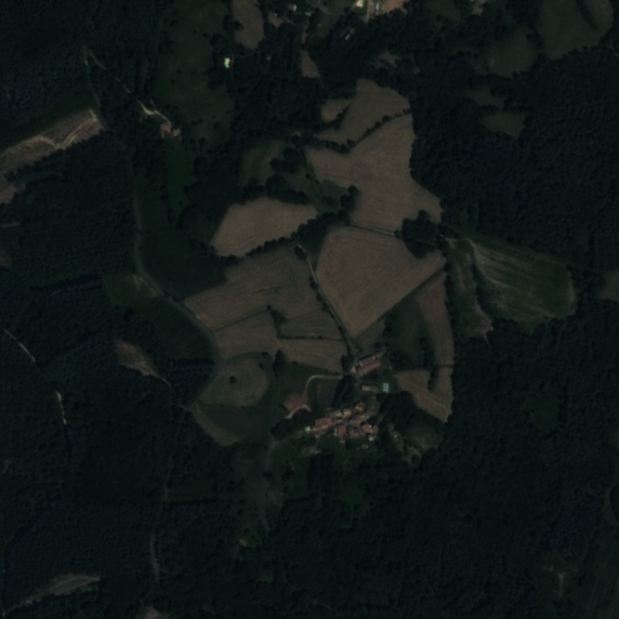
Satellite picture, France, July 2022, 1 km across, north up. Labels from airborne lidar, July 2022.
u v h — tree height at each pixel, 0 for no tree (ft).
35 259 25
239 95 56
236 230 0
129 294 0
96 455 84
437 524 83
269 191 52
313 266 0
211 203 70
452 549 31
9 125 24
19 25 73
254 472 0
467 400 70
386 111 0
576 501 83
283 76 30
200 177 78
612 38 46
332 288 0
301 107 48
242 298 0
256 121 29
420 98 41
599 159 78
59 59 105
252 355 0
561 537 88
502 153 91
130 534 68
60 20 76
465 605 87
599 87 59
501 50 0
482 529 62
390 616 61
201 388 70
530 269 0
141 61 44
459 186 72
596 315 69
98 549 64
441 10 0
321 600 64
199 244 49
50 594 0
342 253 0
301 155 61
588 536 74
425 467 81
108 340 126
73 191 82
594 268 86
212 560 72
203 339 0
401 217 0
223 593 63
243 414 0
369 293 0
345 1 0
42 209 48
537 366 76
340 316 0
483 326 0
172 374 91
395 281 0
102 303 94
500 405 90
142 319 57
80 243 28
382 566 75
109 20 90
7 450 26
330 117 0
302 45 23
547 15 0
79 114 0
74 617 72
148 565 50
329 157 0
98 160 80
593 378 48
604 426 43
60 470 56
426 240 61
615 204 78
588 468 29
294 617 81
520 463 99
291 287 0
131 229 34
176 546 48
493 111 62
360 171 0
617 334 60
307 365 0
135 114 57
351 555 39
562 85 71
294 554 70
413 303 0
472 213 63
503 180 97
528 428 53
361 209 0
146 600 59
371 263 0
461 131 95
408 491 93
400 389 0
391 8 0
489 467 50
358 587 18
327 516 48
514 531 75
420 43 79
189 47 0
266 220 0
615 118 55
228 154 75
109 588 83
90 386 80
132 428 101
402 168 0
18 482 27
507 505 71
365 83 0
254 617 94
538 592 79
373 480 34
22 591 80
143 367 0
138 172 20
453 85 55
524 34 0
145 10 76
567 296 0
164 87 0
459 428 53
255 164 0
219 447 47
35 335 69
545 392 58
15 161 0
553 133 46
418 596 72
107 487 73
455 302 56
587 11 38
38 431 32
